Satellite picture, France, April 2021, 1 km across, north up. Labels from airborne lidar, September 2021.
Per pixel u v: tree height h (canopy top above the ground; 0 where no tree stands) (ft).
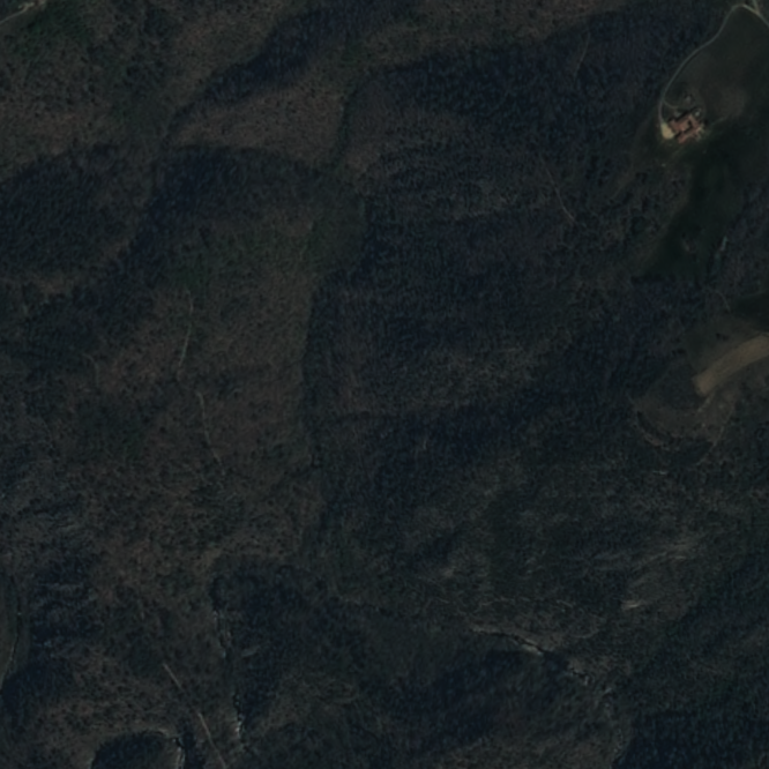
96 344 48
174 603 36
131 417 24
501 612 27
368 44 39
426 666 67
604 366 41
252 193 41
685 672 23
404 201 27
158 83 76
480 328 40
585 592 33
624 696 29
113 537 38
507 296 31
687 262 0
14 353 43
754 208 37
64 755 30
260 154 47
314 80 25
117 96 42
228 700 22
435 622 52
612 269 22
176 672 27
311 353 35
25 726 52
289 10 41
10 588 63
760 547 35
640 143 0
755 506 19
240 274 24
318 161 23
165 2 33
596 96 30
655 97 24
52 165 61
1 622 46
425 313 26
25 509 21
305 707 37
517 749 22
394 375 18
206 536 25
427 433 38
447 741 28
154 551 54
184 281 25
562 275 32
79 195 44
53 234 36
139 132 73
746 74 0
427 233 42
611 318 53
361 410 47
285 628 57
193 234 45
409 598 25
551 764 23
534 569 25
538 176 18
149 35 69
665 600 27
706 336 0
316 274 34
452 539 21
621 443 28
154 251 59
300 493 47
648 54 42
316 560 36
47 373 35
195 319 23
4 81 51
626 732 72
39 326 67
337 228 65
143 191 56
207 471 27
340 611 58
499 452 22
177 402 30
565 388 44
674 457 22
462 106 49
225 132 22
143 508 46
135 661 37
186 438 27
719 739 32
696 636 29
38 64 23
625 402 31
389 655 81
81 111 35
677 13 39
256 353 25
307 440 47
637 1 29
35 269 35
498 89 53
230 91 45
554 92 57
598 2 19
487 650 36
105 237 34
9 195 64
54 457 32
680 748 48
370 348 23
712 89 0
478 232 32
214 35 27
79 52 44
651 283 38
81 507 22
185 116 50
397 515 29
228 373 29
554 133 40
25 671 29
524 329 31
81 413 50
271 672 22
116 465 29
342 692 21
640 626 23
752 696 21
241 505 21
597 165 32
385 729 30
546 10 39
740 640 18
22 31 25
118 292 55
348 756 66
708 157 0
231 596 27
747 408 36
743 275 24
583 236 28
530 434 21
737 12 0
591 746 26
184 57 21
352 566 26
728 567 22
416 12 18
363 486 33
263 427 41
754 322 0
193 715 21
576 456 26
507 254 26
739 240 36
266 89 23
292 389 24
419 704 52
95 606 35
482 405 31
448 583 27
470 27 38
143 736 32
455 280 22
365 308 33
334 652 64
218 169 31
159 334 19
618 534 19
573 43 31
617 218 26
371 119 26
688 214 0
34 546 23
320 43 41
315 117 28
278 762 44
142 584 41
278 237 27
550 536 35
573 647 25
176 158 48
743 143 0
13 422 30
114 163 23
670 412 0
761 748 21
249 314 20
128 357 21
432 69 48
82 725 24
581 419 35
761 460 22
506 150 36
